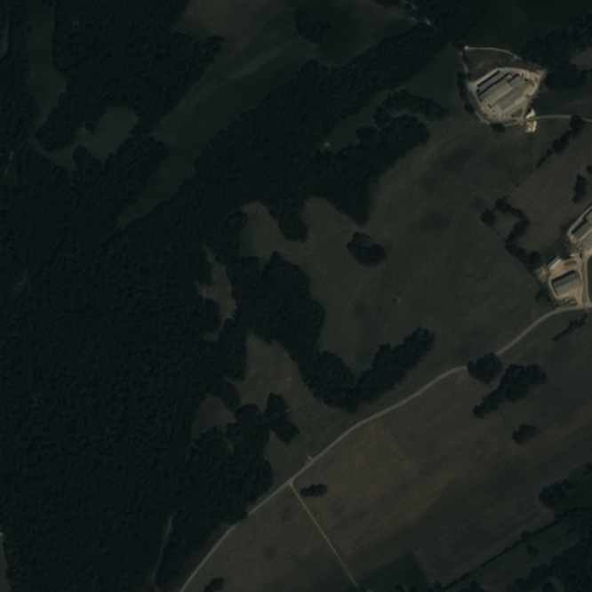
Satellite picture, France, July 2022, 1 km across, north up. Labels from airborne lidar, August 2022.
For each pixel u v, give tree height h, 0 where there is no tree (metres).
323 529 0
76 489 15
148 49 25
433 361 0
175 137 0
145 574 23
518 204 0
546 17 0
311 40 18
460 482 0
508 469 0
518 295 0
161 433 19
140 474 18
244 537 0
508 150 0
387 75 13
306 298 18
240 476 10
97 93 22
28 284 21
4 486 16
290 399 0
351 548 0
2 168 15
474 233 0
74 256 19
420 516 0
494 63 0
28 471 20
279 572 0
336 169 19
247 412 15
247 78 0
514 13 0
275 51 0
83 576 16
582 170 0
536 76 0
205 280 15
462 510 0
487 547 0
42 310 19
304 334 16
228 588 0
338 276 0
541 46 22
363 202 21
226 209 18
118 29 23
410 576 0
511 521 0
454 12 15
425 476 0
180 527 21
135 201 20
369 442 0
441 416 0
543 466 0
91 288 19
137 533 22
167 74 21
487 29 0
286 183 21
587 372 0
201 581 0
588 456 0
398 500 0
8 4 30
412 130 20
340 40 0
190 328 17
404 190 0
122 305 17
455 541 0
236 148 23
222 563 0
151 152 12
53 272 19
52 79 0
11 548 15
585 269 0
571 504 0
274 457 0
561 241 0
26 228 23
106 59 21
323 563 0
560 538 0
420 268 0
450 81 0
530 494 0
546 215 0
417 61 20
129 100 23
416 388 0
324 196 15
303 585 0
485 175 0
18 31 21
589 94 0
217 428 10
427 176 0
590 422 0
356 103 23
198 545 15
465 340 0
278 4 0
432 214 0
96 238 19
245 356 12
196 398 16
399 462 0
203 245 15
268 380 0
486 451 0
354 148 17
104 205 21
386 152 19
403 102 17
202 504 16
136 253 16
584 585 24
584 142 0
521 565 0
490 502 0
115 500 20
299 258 0
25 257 15
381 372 15
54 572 18
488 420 0
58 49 16
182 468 16
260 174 20
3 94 14
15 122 7
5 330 23
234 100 0
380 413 0
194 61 20
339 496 0
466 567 0
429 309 0
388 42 18
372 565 0
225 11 0
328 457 0
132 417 21
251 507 0
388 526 0
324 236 0
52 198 11
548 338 0
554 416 0
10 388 22
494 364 20
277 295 15
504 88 0
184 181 0
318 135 25
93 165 22
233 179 19
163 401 16
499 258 0
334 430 0
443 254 0
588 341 0
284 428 16
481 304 0
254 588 0
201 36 0
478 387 0
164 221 21
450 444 0
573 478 0
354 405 17
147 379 17
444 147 0
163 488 18
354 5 0
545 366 0
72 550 19
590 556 22
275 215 19
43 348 26
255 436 15
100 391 18
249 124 21
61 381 26
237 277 22
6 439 22
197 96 0
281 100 21
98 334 30
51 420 21
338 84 16
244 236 0
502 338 0
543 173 0
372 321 0
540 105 0
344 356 0
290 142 18
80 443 18
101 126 0
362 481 0
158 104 21
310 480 0
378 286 0
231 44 0
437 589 21
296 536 0
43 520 20
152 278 18
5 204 19
